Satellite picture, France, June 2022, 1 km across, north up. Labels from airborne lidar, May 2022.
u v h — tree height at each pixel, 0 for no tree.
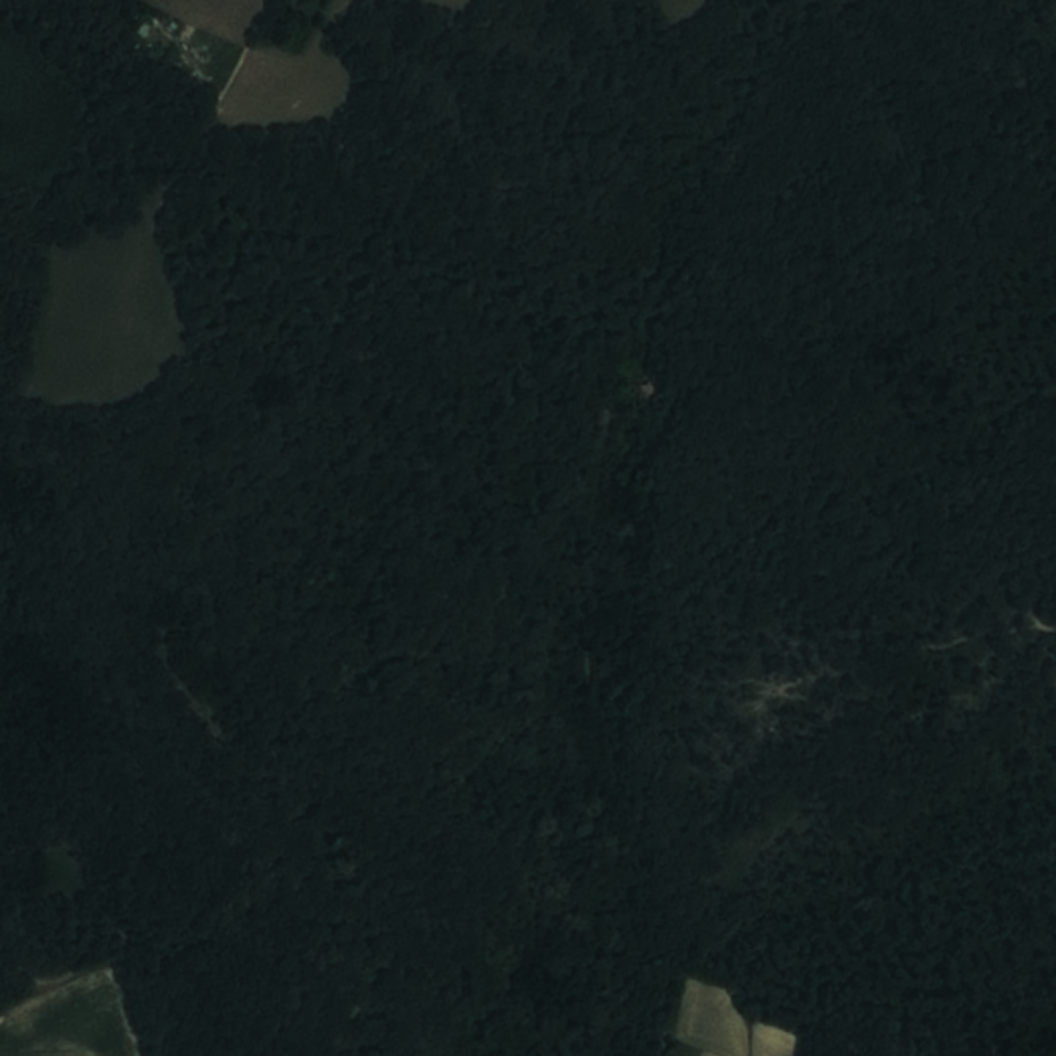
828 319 14
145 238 0
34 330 14
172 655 6
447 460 23
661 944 23
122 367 0
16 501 10
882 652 16
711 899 23
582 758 22
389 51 14
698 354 20
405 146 16
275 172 20
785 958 22
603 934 29
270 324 18
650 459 30
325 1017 22
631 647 24
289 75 0
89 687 22
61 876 0
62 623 24
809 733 18
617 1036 21
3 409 19
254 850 20
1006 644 22
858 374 21
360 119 20
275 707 26
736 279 20
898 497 27
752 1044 0
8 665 17
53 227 22
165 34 0
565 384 28
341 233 26
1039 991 23
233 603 21
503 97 18
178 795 25
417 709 23
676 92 27
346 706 23
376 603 24
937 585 14
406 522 23
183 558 23
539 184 12
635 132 30
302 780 23
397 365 15
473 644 27
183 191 23
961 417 23
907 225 18
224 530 21
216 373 23
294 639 16
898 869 26
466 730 21
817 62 17
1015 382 25
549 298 28
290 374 23
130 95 23
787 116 23
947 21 26
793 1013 24
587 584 24
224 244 22
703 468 16
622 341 25
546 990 19
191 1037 27
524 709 27
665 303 23
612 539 16
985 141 26
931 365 19
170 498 24
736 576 15
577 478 20
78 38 16
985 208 26
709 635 17
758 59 26
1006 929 27
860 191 25
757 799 19
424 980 21
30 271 20
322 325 19
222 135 21
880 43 27
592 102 17
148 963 26
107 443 21
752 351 21
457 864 16
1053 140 18
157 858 25
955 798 12
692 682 18
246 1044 22
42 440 19
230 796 23
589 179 7
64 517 24
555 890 21
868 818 28
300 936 22
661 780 25
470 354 24
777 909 31
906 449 27
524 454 25
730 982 19
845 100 21
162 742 19
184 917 23
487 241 24
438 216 22
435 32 17
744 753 23
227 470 17
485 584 28
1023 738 18
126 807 23
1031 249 16
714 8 19
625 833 24
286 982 24
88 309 0
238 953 28
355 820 19
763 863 23
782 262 16
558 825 17
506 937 21
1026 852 26
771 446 11
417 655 22
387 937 26
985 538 15
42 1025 0
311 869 26
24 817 20
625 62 24
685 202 23
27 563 29
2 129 7
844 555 26
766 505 22
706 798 8
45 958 23
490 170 18
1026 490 17
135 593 24
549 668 9
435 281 30
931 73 24
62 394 0
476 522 22
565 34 20
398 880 20
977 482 17
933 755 11
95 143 18
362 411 16
